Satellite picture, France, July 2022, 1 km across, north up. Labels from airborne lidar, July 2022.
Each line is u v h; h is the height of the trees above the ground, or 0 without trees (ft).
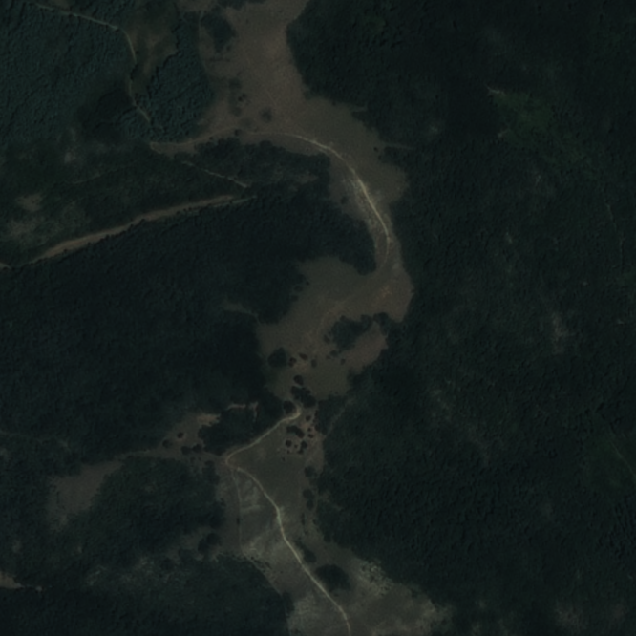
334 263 0
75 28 53
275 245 24
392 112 28
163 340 24
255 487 0
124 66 20
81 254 45
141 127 35
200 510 24
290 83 0
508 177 39
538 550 46
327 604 0
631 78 34
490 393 41
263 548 0
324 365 0
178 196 30
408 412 60
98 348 25
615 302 57
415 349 47
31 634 30
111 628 27
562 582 49
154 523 31
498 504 74
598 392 67
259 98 0
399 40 68
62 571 35
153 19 0
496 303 28
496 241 41
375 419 21
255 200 30
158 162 35
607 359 71
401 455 23
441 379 45
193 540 0
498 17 37
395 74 34
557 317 23
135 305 34
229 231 30
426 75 54
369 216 0
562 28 60
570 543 67
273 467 0
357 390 20
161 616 41
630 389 79
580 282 47
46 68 45
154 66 0
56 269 41
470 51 51
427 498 43
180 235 24
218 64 0
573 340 54
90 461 29
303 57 25
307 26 21
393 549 21
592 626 20
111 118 59
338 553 0
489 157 28
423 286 20
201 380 26
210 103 43
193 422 0
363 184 0
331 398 18
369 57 20
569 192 35
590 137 48
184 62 45
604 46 36
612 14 52
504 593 25
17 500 39
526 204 35
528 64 33
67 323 30
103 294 43
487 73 77
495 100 55
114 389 40
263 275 22
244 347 20
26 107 46
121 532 29
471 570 35
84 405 25
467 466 56
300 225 22
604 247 41
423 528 59
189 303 23
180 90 36
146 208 46
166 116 55
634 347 69
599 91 54
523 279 52
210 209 26
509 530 40
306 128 0
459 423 20
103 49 44
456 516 69
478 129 67
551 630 47
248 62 0
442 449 41
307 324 0
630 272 40
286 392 0
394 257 0
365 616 0
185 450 24
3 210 19
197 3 0
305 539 0
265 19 0
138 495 29
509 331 19
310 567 0
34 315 25
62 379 35
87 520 18
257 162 23
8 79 39
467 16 93
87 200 20
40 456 22
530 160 20
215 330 21
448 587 25
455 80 75
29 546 30
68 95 41
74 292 46
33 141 22
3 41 45
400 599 0
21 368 36
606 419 58
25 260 25
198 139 0
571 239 37
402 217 21
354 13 30
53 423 37
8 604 35
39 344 35
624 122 73
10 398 29
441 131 20
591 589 35
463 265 32
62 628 36
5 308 29
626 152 70
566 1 87
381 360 29
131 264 28
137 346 24
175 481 22
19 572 28
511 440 35
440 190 45
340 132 0
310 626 0
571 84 48
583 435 101
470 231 61
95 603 48
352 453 22
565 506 36
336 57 55
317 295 0
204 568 20
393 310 0
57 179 23
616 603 22
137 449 21
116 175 29
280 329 0
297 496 0
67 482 0
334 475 20
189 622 35
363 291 0
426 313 51
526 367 67
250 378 31
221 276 20
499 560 45
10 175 22
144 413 24
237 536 0
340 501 28
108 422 35
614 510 77
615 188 29
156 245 39
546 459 89
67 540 31
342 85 43
